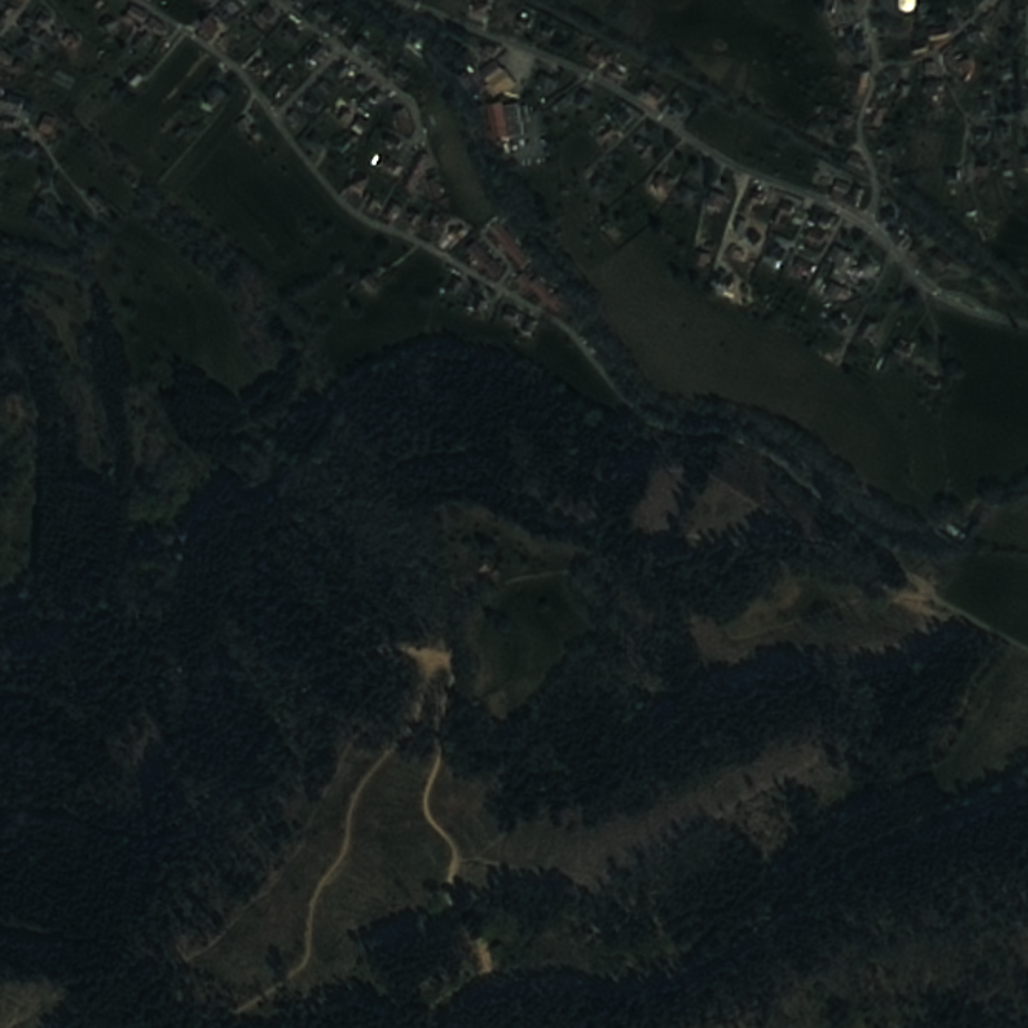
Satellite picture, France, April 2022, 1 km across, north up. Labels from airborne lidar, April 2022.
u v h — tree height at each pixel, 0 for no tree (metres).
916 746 24
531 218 20
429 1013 18
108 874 23
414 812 0
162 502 23
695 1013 21
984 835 31
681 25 0
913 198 13
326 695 25
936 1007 30
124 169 8
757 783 0
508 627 14
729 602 28
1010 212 0
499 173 21
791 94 0
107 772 18
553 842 0
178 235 11
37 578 18
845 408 0
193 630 31
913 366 11
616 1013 27
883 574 20
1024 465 0
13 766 29
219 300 0
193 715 27
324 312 0
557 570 0
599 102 0
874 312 0
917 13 7
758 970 28
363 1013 40
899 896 25
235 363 0
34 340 28
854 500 0
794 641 0
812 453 22
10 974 33
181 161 0
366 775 0
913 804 31
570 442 22
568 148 0
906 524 21
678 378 0
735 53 0
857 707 25
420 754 25
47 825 22
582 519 20
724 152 0
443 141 0
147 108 0
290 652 14
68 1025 28
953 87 6
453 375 18
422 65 0
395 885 0
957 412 0
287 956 0
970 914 16
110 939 20
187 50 0
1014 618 0
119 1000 20
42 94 0
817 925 32
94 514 32
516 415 28
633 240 0
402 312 0
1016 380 0
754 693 30
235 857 28
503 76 0
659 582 24
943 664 20
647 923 31
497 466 22
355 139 7
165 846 32
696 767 25
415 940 29
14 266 7
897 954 21
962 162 0
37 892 18
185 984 27
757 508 0
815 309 0
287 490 29
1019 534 0
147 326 0
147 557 27
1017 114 12
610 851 0
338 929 0
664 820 0
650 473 26
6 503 19
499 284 0
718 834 17
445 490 15
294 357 21
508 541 0
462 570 0
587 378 0
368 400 22
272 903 0
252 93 0
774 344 0
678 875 23
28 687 25
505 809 26
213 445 26
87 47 0
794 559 22
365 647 14
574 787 30
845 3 8
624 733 36
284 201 0
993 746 0
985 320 0
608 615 24
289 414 13
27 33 11
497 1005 29
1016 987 18
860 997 27
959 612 0
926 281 0
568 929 23
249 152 0
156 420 12
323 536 25
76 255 18
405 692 13
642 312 0
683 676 34
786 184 0
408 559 22
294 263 0
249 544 35
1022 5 10
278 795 17
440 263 0
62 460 27
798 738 25
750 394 0
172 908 11
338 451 19
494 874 0
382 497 20
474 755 25
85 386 13
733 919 32
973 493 0
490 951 8
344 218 0
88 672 33
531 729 31
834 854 32
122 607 33
